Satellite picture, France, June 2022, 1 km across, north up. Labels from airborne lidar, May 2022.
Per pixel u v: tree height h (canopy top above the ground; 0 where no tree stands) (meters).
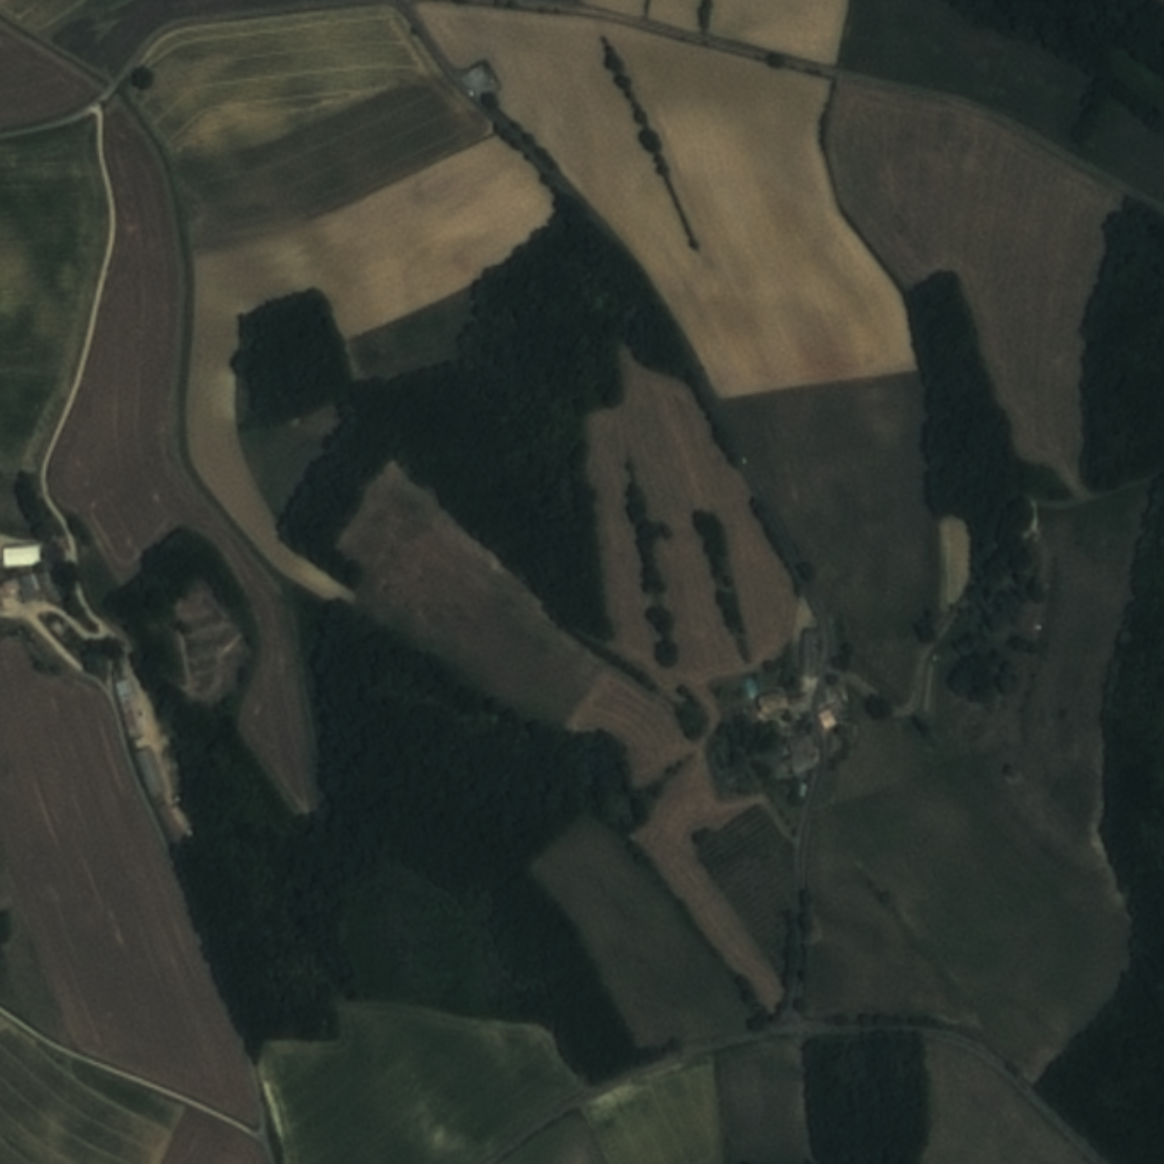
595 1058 11
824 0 0
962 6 12
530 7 0
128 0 0
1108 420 17
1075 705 0
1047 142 0
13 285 0
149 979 0
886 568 0
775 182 0
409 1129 0
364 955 0
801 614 0
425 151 0
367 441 13
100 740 0
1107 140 0
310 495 18
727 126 0
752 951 0
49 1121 0
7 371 0
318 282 0
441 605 0
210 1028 0
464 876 13
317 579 0
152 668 26
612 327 25
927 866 0
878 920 0
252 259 0
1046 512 0
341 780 23
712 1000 0
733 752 8
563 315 19
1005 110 0
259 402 13
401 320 0
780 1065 0
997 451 17
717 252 0
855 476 0
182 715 22
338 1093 0
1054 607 0
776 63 16
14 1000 0
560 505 18
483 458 14
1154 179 0
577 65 0
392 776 19
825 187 0
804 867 0
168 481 0
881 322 0
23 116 0
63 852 0
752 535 0
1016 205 0
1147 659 16
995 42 0
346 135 0
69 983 0
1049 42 24
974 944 0
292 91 0
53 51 0
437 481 11
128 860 0
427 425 14
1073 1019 0
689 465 0
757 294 0
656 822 0
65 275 0
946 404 18
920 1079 14
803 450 0
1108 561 0
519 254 12
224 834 11
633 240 0
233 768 15
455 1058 0
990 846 0
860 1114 19
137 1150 0
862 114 0
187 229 0
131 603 11
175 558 21
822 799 0
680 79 0
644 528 15
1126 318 15
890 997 0
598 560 13
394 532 0
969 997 0
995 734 0
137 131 0
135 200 0
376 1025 0
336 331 10
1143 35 25
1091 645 0
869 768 0
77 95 0
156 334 0
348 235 0
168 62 0
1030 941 0
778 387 0
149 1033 0
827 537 0
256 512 0
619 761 11
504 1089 0
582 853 0
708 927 0
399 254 0
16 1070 0
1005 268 0
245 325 10
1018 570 16
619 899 0
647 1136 0
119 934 0
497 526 12
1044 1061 0
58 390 0
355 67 0
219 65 0
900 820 0
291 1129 0
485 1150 0
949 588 0
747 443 0
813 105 0
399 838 11
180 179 0
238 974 17
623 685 0
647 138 14
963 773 0
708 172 0
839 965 0
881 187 0
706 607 0
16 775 0
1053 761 0
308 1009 19
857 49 0
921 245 0
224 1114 0
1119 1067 15
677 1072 0
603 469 0
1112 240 15
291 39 0
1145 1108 10
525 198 0
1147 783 17
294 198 0
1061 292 0
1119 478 15
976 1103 0
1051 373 0
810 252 0
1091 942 0
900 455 0
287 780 0
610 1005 12
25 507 14
